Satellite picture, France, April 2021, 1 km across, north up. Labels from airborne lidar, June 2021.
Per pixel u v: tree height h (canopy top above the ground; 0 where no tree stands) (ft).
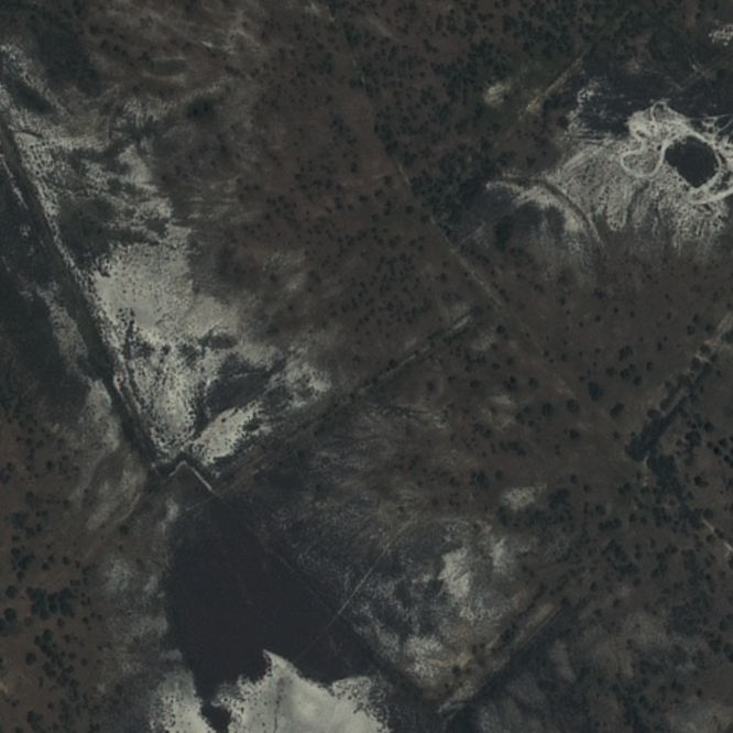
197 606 0
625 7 0
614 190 0
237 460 0
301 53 0
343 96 0
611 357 0
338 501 0
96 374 0
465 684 0
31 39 0
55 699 0
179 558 0
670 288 0
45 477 0
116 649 0
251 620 0
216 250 0
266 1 0
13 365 0
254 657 0
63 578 0
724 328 0
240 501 0
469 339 0
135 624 0
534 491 0
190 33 0
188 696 0
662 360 0
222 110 0
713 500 0
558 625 0
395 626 0
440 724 0
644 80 0
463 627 0
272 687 0
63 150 0
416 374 0
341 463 0
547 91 0
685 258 0
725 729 0
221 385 0
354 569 0
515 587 0
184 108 0
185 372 0
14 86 0
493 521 0
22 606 0
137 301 0
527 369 0
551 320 0
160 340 0
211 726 0
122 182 0
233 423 0
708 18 0
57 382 0
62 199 0
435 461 0
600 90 0
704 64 0
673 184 0
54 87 0
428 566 0
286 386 0
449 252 0
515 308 0
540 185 0
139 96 0
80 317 0
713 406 0
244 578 0
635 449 19
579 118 0
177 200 0
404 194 0
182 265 0
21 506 0
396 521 0
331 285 0
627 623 0
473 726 0
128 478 0
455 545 0
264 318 0
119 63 0
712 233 0
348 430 0
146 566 0
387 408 0
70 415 0
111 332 0
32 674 0
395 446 0
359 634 0
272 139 0
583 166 0
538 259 0
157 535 0
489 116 0
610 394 0
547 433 0
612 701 0
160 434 0
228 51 0
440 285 0
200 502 0
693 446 22
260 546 0
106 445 0
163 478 0
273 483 0
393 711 0
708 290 0
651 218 0
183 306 0
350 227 0
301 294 0
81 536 0
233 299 0
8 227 0
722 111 0
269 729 0
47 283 0
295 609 0
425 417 0
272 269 0
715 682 0
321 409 0
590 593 0
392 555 0
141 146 0
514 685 0
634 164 0
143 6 0
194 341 0
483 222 0
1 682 0
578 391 0
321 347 0
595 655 0
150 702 0
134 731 0
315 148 0
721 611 0
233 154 0
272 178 0
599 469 0
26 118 0
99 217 0
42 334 0
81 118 0
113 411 0
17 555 20
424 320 0
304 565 0
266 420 0
